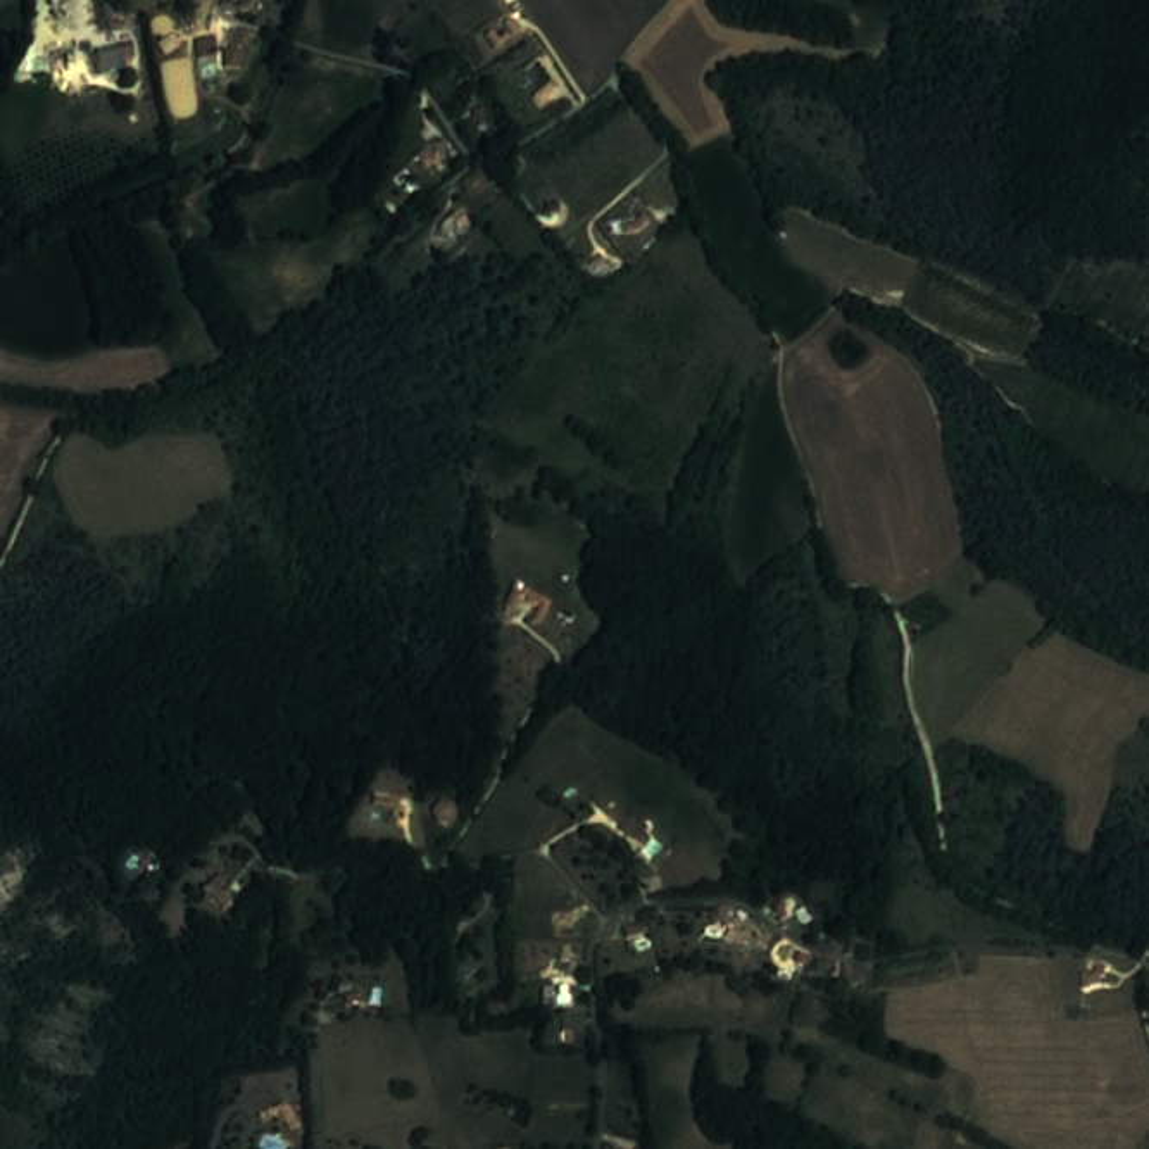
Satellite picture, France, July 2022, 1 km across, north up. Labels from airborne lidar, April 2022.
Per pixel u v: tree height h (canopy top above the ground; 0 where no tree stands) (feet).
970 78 43
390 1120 0
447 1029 0
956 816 47
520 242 0
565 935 0
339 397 38
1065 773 0
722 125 0
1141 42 43
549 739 0
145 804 62
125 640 32
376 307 39
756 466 0
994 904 45
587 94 0
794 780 44
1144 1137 0
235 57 0
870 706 41
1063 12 22
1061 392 0
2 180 41
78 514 0
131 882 0
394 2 0
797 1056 26
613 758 0
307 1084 26
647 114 35
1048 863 58
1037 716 0
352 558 42
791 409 0
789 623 27
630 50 0
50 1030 0
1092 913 52
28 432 0
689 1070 0
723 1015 0
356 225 0
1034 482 30
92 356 0
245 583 38
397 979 0
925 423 0
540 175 0
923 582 0
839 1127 0
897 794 31
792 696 51
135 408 37
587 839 33
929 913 0
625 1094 0
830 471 0
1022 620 0
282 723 67
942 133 38
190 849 56
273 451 42
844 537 0
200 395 29
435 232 0
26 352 0
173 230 83
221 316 58
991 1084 0
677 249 0
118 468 0
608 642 75
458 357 47
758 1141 64
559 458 0
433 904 47
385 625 45
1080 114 30
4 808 29
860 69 59
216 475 0
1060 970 0
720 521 40
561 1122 0
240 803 69
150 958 29
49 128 0
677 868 0
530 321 33
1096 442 0
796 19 42
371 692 55
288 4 101
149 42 40
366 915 53
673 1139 0
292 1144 0
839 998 33
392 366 60
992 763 41
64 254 0
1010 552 55
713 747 71
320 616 51
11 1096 28
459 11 0
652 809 0
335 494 59
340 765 49
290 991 43
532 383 0
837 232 0
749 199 0
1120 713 0
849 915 29
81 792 56
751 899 24
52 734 29
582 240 0
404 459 62
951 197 43
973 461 19
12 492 0
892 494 0
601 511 38
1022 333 0
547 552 0
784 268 0
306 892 0
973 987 0
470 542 53
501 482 0
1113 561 32
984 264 44
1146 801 26
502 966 28
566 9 0
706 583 53
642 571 55
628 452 0
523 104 0
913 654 0
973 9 31
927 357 38
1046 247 45
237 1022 40
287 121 0
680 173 34
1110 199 37
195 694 54
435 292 44
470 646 44
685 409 0
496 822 0
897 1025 0
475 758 59
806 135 0
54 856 33
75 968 25
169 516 0
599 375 0
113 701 50
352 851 66
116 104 49
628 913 0
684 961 25
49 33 0
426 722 68
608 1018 49
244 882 27
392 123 95
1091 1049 0
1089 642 56
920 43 21
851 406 0
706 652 51
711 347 0
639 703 46
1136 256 51
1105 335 50
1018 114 29
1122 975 0
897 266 0
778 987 21
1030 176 35
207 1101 45
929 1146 0
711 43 0
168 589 36
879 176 33
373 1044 0
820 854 50
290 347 50
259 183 85
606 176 0
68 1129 29
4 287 0
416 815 0
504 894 37
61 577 26
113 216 106
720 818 0
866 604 34
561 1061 0
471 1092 20
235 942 41
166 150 27
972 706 0
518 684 0
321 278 0
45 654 37
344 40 0
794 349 0
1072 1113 0
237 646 54
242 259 0
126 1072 47
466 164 33
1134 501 27
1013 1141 0
